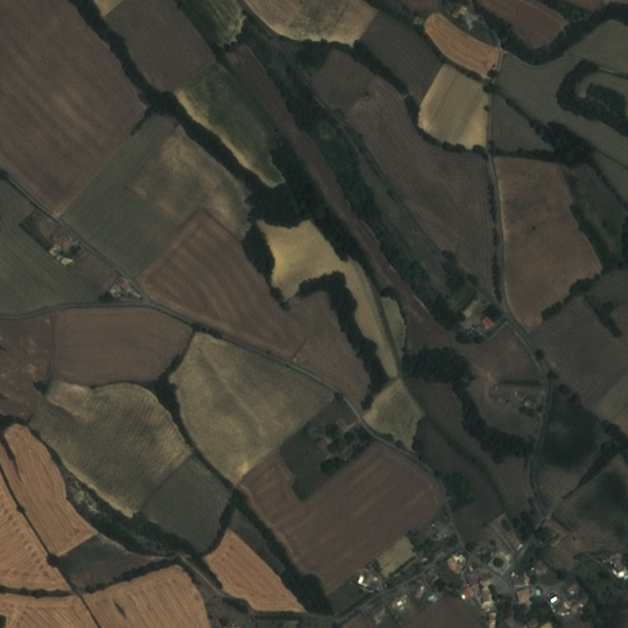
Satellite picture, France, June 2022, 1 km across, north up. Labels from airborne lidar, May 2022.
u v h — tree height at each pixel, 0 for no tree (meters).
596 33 0
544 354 14
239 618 0
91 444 0
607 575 7
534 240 0
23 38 0
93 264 0
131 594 0
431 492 0
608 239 0
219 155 15
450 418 0
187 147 0
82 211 0
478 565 0
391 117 0
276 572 7
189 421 0
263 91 0
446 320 19
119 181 0
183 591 0
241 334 0
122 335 0
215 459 0
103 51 0
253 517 11
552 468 0
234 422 0
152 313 0
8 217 0
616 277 0
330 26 0
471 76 12
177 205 0
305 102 8
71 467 0
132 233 0
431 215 0
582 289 14
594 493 0
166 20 0
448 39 0
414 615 0
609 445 10
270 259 12
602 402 0
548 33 0
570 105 14
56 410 0
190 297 0
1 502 0
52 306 0
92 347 0
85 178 0
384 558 0
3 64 0
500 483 0
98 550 0
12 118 0
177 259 0
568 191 0
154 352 0
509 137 0
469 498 6
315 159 0
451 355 15
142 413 0
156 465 0
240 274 0
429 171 0
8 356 0
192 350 0
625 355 0
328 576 0
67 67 0
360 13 0
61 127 0
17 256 0
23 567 0
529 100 0
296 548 0
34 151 0
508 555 0
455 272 9
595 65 12
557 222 0
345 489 0
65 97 0
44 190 0
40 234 0
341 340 0
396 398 0
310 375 0
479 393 0
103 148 0
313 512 0
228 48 18
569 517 0
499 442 15
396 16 7
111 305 0
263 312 0
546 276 0
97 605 0
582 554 6
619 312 0
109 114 0
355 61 8
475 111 0
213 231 0
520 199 0
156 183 0
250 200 8
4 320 0
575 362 0
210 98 0
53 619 0
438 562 7
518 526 12
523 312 0
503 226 0
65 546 0
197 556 10
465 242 0
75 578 0
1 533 0
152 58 0
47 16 0
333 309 9
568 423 0
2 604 0
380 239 10
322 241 0
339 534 0
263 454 0
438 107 0
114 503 0
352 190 10
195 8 0
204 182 0
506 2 0
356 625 0
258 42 8
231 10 0
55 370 0
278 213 14
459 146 15
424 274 9
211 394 0
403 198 0
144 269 0
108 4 0
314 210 20
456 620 0
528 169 0
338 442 13
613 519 0
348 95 0
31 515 0
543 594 0
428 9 0
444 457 0
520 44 9
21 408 0
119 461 0
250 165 0
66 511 0
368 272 11
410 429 0
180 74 0
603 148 0
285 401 0
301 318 0
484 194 0
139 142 0
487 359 0
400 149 0
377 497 0
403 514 0
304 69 6
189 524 0
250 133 0
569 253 0
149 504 0
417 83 0
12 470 0
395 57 0
